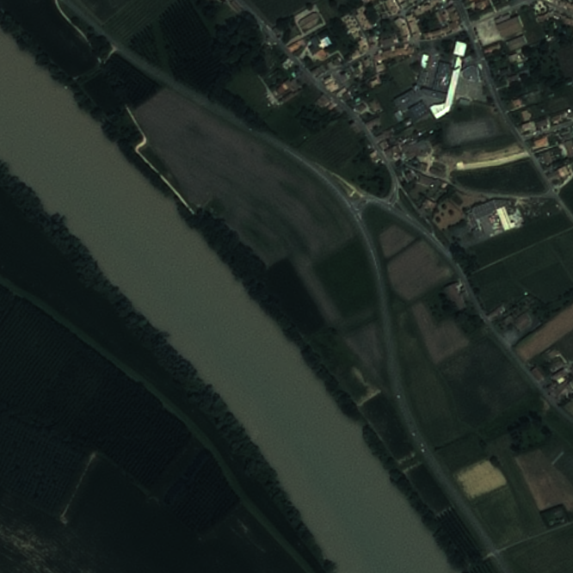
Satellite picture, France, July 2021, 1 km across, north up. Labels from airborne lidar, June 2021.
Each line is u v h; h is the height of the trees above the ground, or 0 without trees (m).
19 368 26
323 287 0
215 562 0
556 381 8
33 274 0
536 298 6
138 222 0
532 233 0
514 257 0
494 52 9
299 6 0
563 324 0
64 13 0
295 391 0
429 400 0
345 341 0
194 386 17
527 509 0
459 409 0
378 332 0
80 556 0
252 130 0
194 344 0
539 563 0
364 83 6
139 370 0
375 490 0
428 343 0
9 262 0
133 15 0
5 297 24
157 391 0
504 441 0
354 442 0
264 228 0
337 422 0
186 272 0
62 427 17
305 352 24
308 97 0
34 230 0
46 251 0
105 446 21
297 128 0
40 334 24
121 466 14
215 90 26
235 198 0
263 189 0
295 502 0
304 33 0
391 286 0
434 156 0
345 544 0
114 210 0
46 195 0
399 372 0
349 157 0
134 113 0
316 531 0
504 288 0
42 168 0
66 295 0
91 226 0
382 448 14
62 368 24
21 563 0
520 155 0
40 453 36
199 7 14
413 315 0
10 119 0
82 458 37
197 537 0
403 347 0
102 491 0
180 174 0
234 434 16
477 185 0
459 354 0
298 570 0
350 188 0
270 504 0
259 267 20
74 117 0
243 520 0
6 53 0
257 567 0
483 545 0
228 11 0
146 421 23
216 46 19
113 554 0
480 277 0
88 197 0
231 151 0
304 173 0
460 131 0
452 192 6
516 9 0
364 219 0
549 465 0
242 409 0
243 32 21
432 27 0
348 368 0
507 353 0
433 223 0
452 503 0
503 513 0
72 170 0
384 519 0
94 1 0
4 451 35
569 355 0
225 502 28
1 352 28
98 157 0
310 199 0
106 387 24
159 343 26
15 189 20
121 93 20
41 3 0
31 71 0
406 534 0
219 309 0
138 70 20
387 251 0
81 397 20
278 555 0
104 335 0
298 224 0
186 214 16
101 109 10
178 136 0
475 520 0
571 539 0
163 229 0
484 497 0
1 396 34
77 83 8
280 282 0
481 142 0
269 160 0
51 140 0
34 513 0
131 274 0
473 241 0
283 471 0
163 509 0
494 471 0
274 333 0
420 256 0
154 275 0
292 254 0
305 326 0
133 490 0
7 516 0
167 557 0
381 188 9
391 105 0
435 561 0
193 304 0
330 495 0
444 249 0
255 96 0
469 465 0
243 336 0
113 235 0
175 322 0
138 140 11
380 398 0
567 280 0
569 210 0
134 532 0
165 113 0
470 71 0
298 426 0
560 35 10
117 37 0
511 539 0
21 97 0
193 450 0
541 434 0
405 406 0
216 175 0
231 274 0
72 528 0
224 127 0
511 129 0
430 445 0
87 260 19
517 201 0
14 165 0
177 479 0
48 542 0
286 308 0
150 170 18
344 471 0
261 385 0
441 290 0
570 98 0
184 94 0
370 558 0
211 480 30
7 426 37
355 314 0
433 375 0
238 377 0
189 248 0
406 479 20
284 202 0
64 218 6
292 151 0
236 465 0
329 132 0
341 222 0
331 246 0
